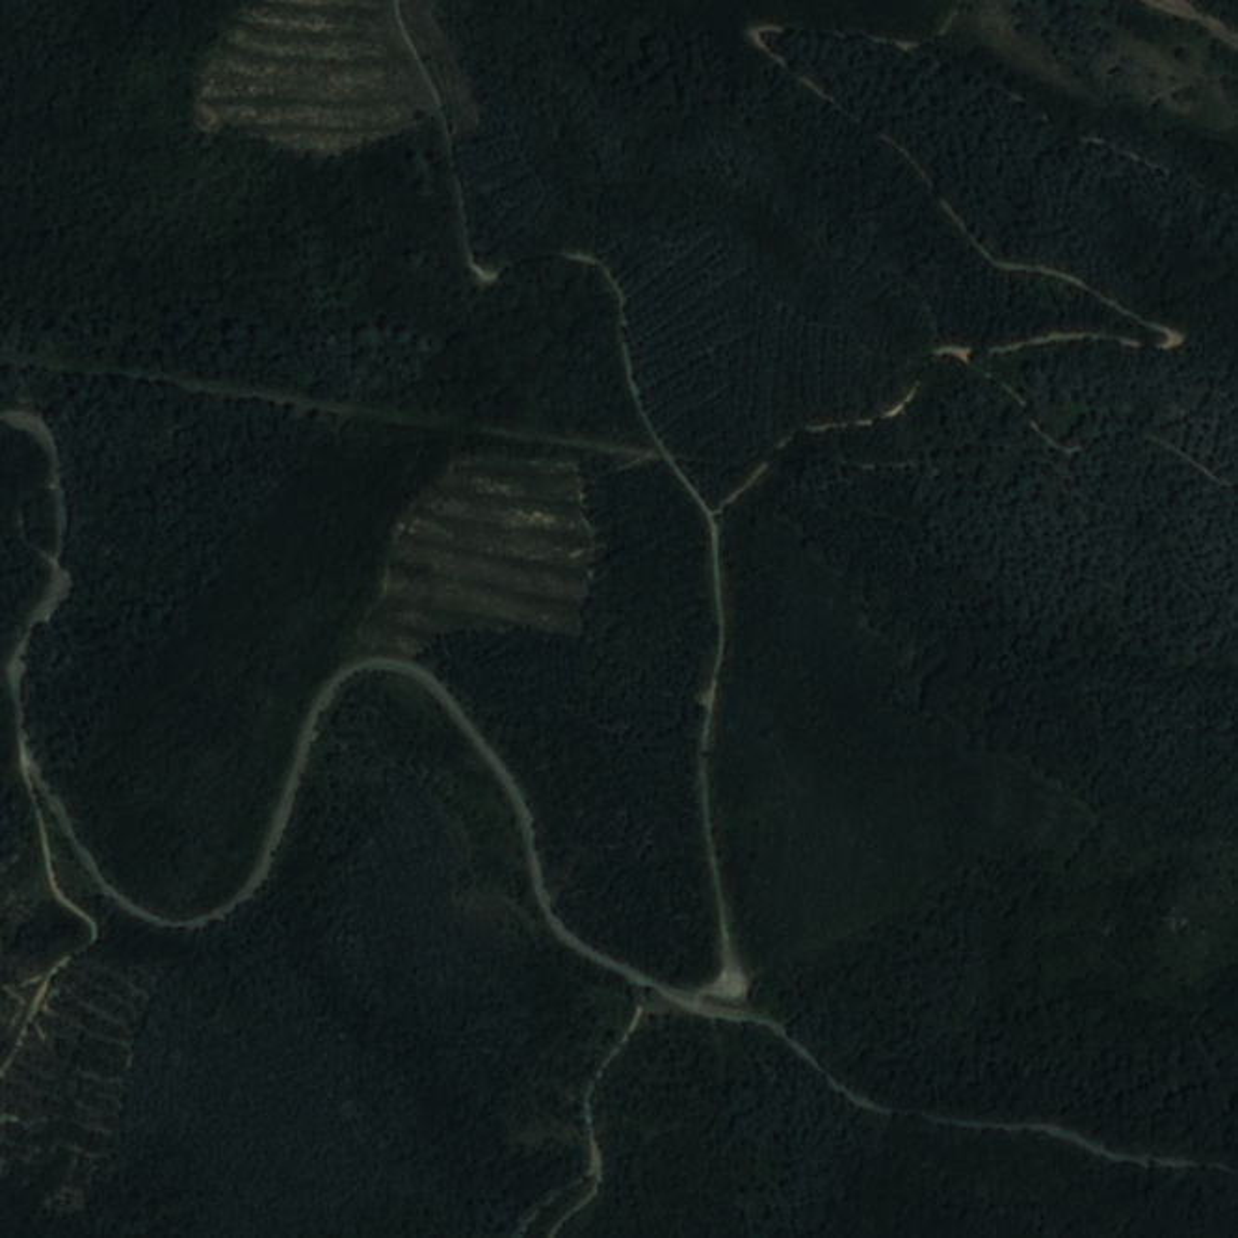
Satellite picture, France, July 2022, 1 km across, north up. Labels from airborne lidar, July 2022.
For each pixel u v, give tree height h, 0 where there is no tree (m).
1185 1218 18
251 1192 11
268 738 6
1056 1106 11
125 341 10
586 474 9
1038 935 7
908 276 10
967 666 20
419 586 0
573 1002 10
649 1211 16
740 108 17
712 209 9
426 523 0
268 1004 8
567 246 14
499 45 20
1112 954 8
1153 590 15
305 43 0
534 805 8
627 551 16
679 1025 6
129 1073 8
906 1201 11
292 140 0
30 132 17
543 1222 8
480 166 14
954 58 13
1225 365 18
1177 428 18
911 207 14
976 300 21
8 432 11
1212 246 16
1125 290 20
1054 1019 23
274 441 25
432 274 6
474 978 11
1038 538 18
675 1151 9
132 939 15
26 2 7
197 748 6
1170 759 15
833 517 13
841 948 6
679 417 12
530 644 8
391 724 10
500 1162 10
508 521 0
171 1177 12
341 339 16
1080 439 19
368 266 6
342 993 13
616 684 12
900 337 10
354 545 6
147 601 17
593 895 10
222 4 13
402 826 10
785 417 11
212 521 14
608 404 9
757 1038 19
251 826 6
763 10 12
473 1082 13
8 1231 13
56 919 7
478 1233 19
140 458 17
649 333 14
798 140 15
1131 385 19
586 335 13
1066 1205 13
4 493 17
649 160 13
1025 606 24
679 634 12
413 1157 13
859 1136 18
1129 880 11
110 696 9
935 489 25
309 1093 11
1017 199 24
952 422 21
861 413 7
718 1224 7
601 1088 6
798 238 14
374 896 10
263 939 23
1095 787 17
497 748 6
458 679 14
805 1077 20
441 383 12
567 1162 14
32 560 14
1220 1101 14
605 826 8
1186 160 16
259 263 9
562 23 20
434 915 8
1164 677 15
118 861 6
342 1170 10
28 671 7
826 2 13
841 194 21
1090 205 23
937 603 22
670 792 10
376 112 0
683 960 10
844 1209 15
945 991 15
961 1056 21
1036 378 19
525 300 16
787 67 7
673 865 14
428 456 9
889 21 11
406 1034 12
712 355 13
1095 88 7
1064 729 15
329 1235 9
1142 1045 18
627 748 14
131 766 8
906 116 26
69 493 14
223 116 0
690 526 9
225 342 8
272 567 8
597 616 14
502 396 23
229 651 9
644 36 7
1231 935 7
